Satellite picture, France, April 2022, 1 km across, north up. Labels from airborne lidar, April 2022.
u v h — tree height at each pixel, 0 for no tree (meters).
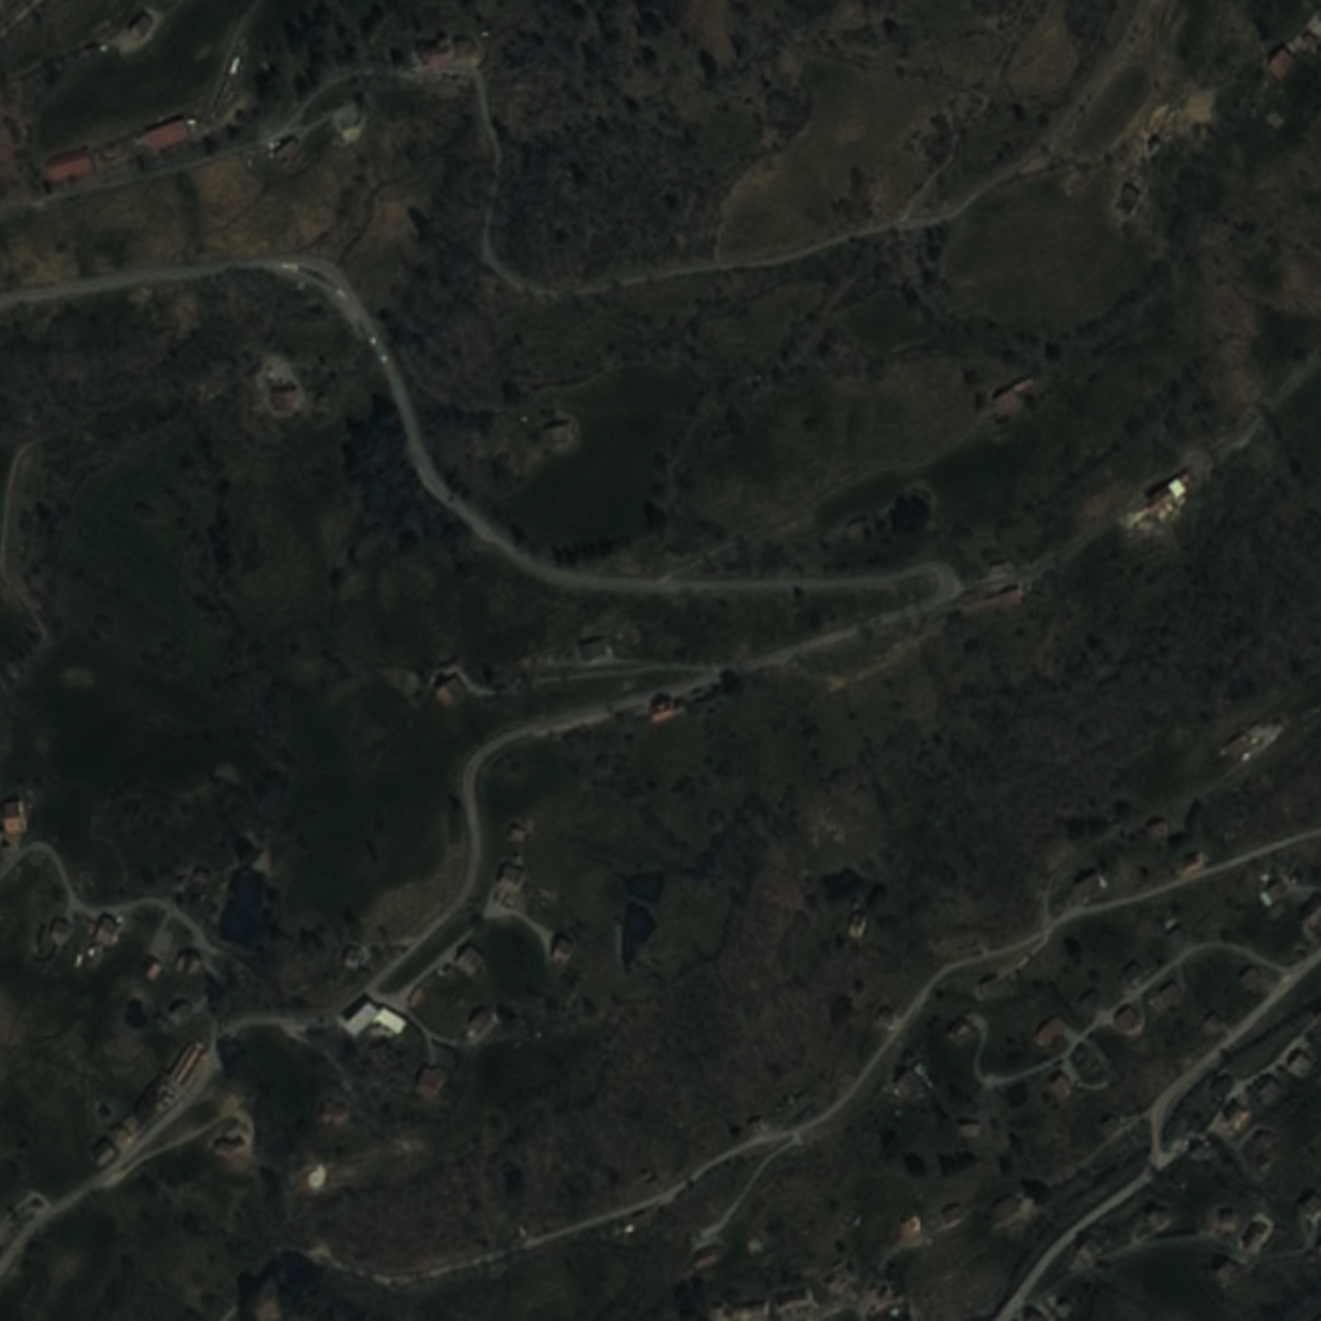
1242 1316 0
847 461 0
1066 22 0
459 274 7
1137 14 0
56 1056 0
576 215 7
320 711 0
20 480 0
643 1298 10
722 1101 14
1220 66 0
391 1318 24
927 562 0
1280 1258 0
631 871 0
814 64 0
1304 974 0
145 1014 0
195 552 7
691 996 9
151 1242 0
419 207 0
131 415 0
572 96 7
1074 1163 9
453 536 27
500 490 15
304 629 0
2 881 0
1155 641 8
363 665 0
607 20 12
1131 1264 0
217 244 0
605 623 0
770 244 0
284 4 0
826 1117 0
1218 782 0
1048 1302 0
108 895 0
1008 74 0
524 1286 0
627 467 0
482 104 0
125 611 0
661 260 0
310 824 0
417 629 0
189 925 0
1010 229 0
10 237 0
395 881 0
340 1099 21
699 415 13
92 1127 0
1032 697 10
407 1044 0
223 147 17
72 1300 0
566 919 0
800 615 0
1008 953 0
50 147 0
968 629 17
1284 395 0
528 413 0
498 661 0
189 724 0
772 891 0
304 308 13
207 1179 0
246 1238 8
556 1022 14
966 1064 0
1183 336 0
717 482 0
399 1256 9
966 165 0
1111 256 0
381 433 22
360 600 0
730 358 0
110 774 0
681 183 0
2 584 0
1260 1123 0
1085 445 0
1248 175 0
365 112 13
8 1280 0
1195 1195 0
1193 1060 0
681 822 0
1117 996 0
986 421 0
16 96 15
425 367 13
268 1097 25
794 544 0
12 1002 0
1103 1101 8
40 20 11
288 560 0
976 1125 0
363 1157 0
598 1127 15
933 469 0
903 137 0
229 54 0
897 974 0
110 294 0
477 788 0
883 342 0
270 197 0
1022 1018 0
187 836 0
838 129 0
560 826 0
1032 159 0
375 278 0
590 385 0
